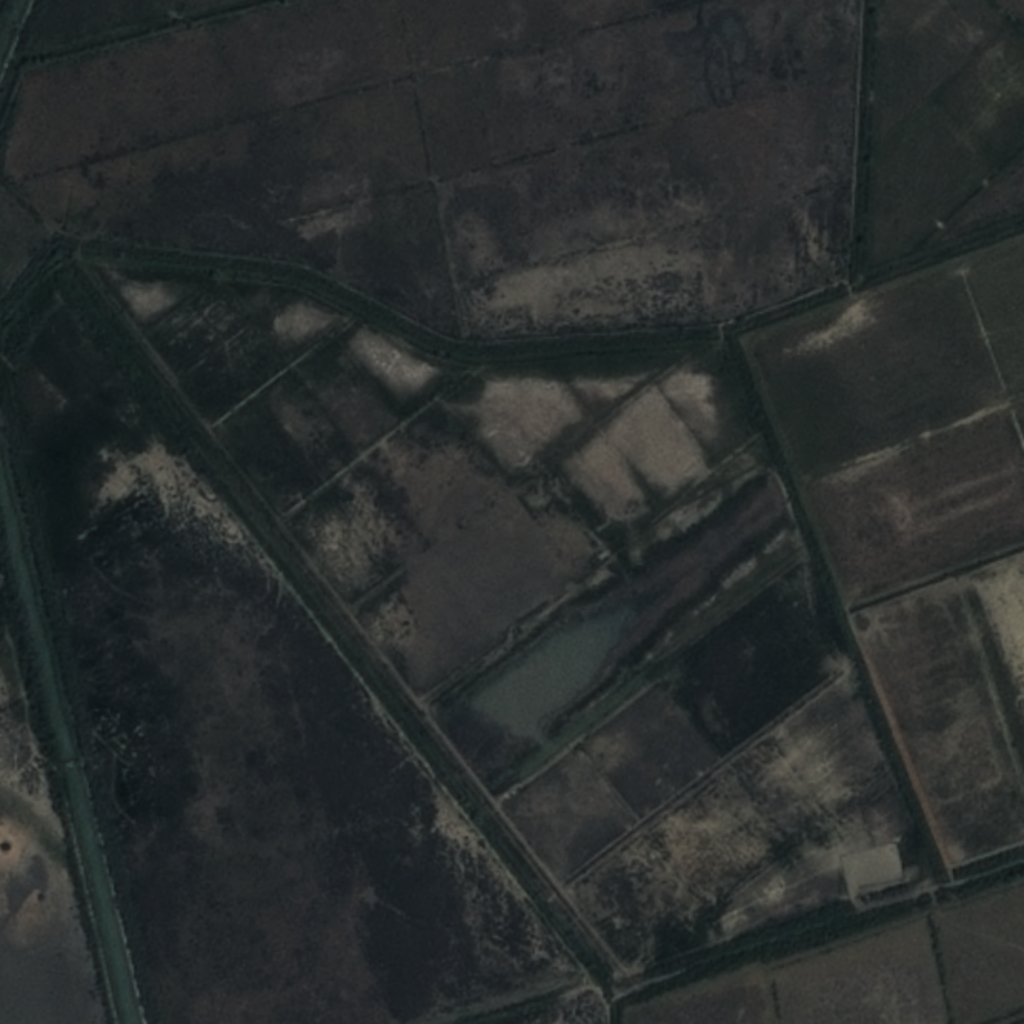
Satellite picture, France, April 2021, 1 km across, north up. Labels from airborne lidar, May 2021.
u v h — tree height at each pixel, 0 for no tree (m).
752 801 0
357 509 0
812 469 0
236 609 0
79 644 0
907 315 0
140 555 0
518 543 0
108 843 6
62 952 0
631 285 0
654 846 0
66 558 0
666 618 0
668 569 0
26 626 7
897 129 0
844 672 0
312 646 0
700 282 0
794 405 0
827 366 0
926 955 0
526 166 0
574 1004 0
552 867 0
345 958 0
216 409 0
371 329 0
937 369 0
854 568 0
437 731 0
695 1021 0
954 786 0
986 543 0
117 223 0
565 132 0
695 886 0
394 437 0
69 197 0
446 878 0
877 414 0
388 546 0
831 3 0
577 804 0
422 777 0
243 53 0
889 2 0
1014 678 0
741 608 0
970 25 0
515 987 0
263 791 0
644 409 0
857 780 0
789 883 0
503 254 0
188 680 0
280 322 0
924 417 0
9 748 0
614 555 0
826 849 0
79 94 0
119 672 0
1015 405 0
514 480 0
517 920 0
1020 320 0
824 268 0
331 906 0
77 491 0
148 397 7
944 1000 0
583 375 0
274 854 0
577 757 0
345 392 0
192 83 0
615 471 0
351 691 0
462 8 0
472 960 0
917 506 0
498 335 0
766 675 0
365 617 0
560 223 0
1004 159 0
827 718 0
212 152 0
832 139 0
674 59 0
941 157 0
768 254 0
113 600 0
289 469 0
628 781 0
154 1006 6
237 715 0
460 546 0
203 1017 0
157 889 0
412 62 0
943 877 7
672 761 0
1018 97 0
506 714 0
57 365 0
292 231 0
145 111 0
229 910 0
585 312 0
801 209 0
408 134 0
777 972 0
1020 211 0
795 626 0
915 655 0
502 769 0
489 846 0
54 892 0
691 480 0
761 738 0
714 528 0
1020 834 0
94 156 0
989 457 0
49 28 0
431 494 0
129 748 0
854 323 0
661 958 0
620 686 0
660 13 0
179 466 0
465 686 0
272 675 0
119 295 0
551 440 0
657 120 0
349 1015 0
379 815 0
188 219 0
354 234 0
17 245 0
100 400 0
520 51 0
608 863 0
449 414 0
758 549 0
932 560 0
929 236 0
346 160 0
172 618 0
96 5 0
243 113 0
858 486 0
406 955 0
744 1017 0
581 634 0
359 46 0
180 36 0
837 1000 0
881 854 0
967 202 0
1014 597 0
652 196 0
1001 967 0
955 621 0
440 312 0
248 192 0
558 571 0
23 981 0
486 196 0
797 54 0
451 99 0
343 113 0
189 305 0
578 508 0
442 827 0
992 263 0
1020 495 0
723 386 0
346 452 0
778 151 0
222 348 0
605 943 0
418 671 0
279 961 0
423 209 0
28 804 0
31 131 0
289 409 0
